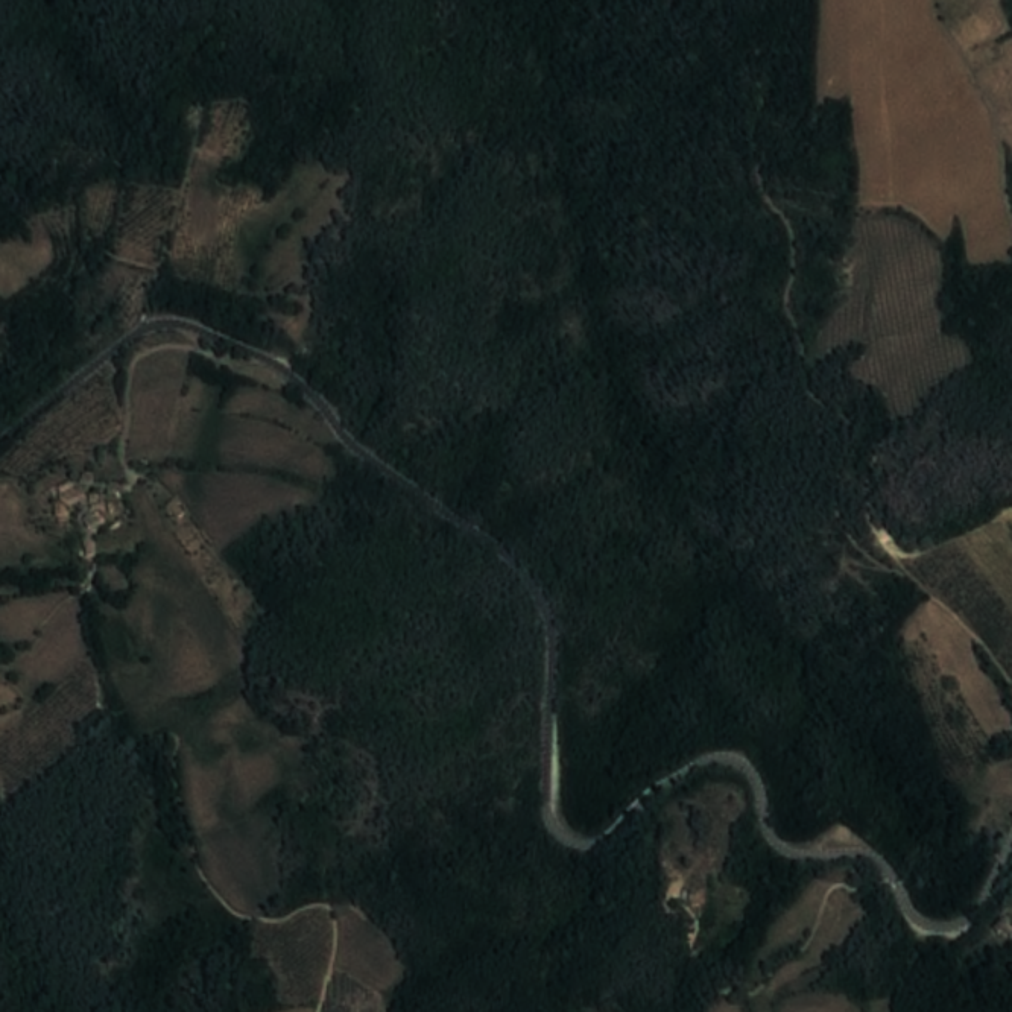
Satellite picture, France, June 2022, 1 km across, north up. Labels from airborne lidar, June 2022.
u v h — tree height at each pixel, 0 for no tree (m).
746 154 8
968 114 0
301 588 11
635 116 10
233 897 0
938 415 14
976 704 0
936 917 12
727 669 12
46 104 11
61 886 16
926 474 11
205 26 13
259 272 9
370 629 11
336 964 0
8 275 0
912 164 0
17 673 9
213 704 0
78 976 15
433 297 13
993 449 12
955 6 0
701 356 10
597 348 17
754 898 10
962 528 8
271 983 8
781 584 12
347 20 18
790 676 12
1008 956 22
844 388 13
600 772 10
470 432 19
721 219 9
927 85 0
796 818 17
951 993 27
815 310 7
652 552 14
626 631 6
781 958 6
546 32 26
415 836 7
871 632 17
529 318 13
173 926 13
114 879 20
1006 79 0
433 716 6
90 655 6
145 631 0
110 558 10
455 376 9
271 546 14
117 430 0
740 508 8
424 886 19
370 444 15
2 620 0
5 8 20
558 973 19
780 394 17
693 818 11
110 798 15
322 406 0
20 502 0
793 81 16
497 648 12
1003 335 18
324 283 10
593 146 14
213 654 0
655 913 10
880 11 0
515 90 11
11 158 13
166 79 19
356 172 13
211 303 15
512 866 16
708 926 8
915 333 0
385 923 12
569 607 10
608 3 18
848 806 12
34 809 16
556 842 8
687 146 11
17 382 13
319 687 12
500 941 19
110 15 11
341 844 8
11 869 19
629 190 8
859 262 0
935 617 0
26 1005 19
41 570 9
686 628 10
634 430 23
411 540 12
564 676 7
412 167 11
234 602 0
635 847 24
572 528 10
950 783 8
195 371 10
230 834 0
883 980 12
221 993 21
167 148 14
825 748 16
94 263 10
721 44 14
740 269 16
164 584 0
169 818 24
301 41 17
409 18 12
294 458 0
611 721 17
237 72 11
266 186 12
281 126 19
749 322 12
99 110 21
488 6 11
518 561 11
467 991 13
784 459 15
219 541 0
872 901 13
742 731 9
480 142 10
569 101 11
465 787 11
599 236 22
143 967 13
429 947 11
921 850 14
